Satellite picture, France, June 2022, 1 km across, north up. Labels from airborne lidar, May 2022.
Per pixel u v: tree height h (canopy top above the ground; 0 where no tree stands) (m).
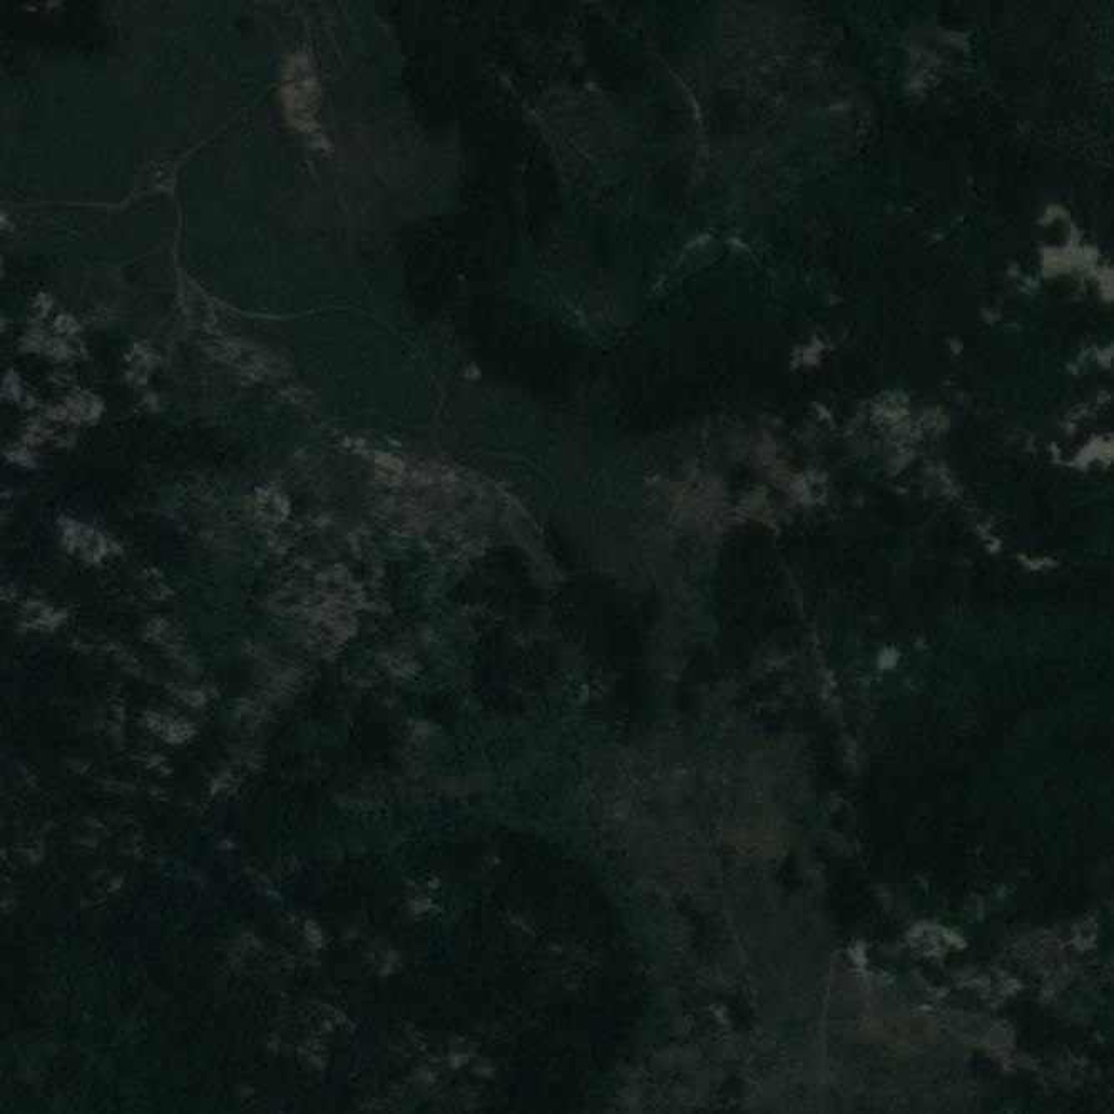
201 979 12
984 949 14
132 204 0
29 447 7
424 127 6
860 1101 7
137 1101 10
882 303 14
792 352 8
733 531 8
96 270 0
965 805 19
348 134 0
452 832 8
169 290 0
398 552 6
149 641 5
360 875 15
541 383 15
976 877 8
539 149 18
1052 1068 5
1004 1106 15
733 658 7
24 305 17
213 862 12
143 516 7
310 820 12
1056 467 11
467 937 23
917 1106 8
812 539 11
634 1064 11
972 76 8
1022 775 20
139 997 7
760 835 0
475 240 18
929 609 13
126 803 10
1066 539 22
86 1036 10
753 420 7
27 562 11
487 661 11
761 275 10
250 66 0
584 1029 17
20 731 15
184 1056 14
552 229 19
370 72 0
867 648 9
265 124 0
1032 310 13
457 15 14
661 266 6
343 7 0
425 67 15
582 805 0
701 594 7
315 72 0
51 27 17
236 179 0
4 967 17
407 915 7
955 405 7
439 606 9
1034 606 18
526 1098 21
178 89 0
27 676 15
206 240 0
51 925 22
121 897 11
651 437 8
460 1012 16
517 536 0
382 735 16
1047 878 15
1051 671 20
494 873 19
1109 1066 11
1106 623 16
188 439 19
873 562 10
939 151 20
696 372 14
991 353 11
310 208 0
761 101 8
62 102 7
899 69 7
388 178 0
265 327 0
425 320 8
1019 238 21
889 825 9
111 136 0
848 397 7
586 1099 7
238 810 18
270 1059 15
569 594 11
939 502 10
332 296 0
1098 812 16
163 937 10
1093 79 18
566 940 14
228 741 6
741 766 0
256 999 10
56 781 14
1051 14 17
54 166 0
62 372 6
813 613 10
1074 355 9
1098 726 19
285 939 9
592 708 12
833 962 0
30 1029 12
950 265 15
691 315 16
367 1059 11
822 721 10
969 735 9
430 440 0
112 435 11
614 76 7
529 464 0
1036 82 19
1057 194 19
